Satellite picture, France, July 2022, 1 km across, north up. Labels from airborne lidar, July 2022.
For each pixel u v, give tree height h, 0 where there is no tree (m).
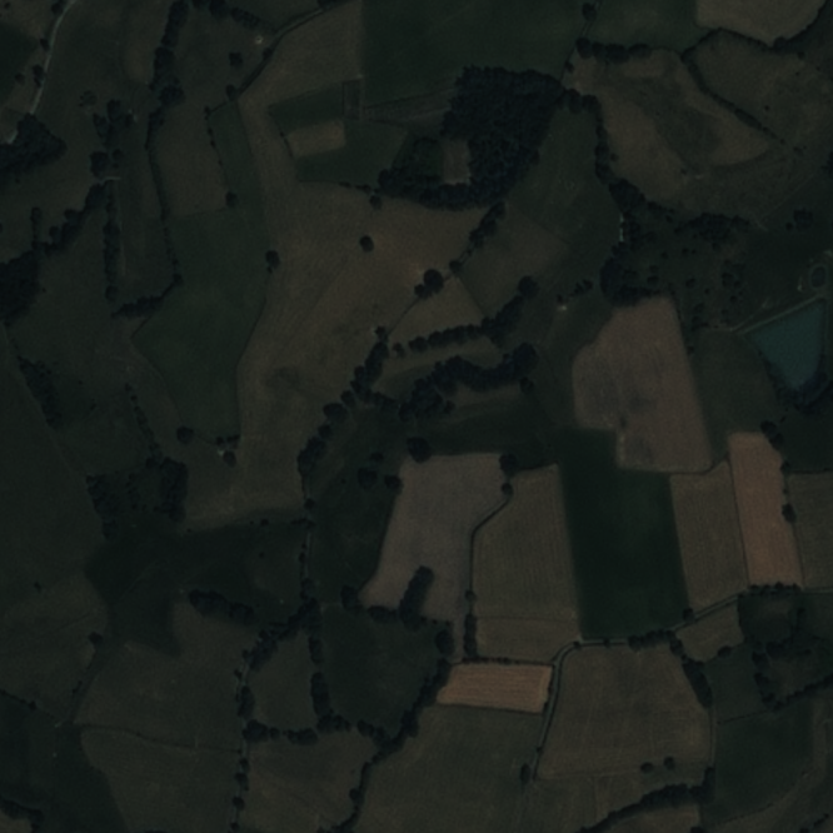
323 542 0
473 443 0
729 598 0
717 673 0
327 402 0
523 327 0
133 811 0
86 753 0
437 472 0
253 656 14
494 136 11
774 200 0
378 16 0
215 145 8
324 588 0
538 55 0
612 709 0
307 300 0
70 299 0
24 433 0
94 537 0
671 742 0
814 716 0
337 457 0
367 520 0
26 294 21
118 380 0
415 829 0
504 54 0
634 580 0
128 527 0
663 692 0
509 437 0
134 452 0
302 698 0
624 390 0
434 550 0
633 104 0
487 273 0
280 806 0
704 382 0
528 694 0
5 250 0
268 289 0
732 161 0
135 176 0
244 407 0
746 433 0
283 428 0
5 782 0
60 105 0
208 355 0
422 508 0
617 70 0
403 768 0
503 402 0
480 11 0
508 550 0
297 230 0
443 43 0
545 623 0
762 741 0
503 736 0
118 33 0
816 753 0
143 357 0
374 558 0
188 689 0
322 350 0
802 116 0
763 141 0
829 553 0
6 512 0
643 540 0
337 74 0
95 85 0
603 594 0
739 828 0
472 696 0
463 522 0
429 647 0
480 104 21
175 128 0
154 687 0
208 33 0
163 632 0
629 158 0
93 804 0
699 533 0
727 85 0
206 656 0
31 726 0
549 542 0
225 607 16
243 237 0
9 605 0
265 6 0
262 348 0
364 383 15
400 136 0
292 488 0
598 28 0
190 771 0
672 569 0
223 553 0
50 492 0
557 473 0
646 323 0
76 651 0
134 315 11
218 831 0
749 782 0
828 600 0
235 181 0
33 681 0
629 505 0
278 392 0
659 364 0
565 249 0
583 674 0
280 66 0
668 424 0
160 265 0
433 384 11
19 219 0
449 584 0
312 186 0
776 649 17
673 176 0
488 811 0
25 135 17
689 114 0
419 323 0
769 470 0
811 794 0
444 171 0
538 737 0
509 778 0
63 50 0
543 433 0
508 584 0
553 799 0
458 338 19
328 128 0
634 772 0
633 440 0
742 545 0
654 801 17
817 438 0
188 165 0
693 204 0
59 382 0
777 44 11
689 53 8
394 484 19
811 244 0
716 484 0
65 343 0
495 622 0
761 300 0
